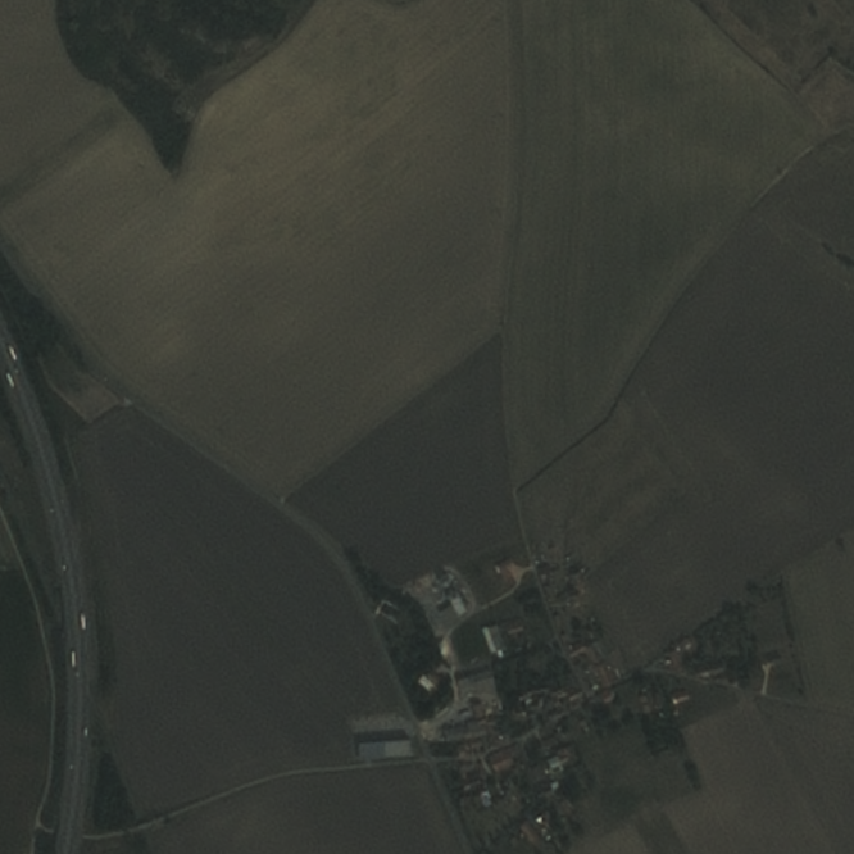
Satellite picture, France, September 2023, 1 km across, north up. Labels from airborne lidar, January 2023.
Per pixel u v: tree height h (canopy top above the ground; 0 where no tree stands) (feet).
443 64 0
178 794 0
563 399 0
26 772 0
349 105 0
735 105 0
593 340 0
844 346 0
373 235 0
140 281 0
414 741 0
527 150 0
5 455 0
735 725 0
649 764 0
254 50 0
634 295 0
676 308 0
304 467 0
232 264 0
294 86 0
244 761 0
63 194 0
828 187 0
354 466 0
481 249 0
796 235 0
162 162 19
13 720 0
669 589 0
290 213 0
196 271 0
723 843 0
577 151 0
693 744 0
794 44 0
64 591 0
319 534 0
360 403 0
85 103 0
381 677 0
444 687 42
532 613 18
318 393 0
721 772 0
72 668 0
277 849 0
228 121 0
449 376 0
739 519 0
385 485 0
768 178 0
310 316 0
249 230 0
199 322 0
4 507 0
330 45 0
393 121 0
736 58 0
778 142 0
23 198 0
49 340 76
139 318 0
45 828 0
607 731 31
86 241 0
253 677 0
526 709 23
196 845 0
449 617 0
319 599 0
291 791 0
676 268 0
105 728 0
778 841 0
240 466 0
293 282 0
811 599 0
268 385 0
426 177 0
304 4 0
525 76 0
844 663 0
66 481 28
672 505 0
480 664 0
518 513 0
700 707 0
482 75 0
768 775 0
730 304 0
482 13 0
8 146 0
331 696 0
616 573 0
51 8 0
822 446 0
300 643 0
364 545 0
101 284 0
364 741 0
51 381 0
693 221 0
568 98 0
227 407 0
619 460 0
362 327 0
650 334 0
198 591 0
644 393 0
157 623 0
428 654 52
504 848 0
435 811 0
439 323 0
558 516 0
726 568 0
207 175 0
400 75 0
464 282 0
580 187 0
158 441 0
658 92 0
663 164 0
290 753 0
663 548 0
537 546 0
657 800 0
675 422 0
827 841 0
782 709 0
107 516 0
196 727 0
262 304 0
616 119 0
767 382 0
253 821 0
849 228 0
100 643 0
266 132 0
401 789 0
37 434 0
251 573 0
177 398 0
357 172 0
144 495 0
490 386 0
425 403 0
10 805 0
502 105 0
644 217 0
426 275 0
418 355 0
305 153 0
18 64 0
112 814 44
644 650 0
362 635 0
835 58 28
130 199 0
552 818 35
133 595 0
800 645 0
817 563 0
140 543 0
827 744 0
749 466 0
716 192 0
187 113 0
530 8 0
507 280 0
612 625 0
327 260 0
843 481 0
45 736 0
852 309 0
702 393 0
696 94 0
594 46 0
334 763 0
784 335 0
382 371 0
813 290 0
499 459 0
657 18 0
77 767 0
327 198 0
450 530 0
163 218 0
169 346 0
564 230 0
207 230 0
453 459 0
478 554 0
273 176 0
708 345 0
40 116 0
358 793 0
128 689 0
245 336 0
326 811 0
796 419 0
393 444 0
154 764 0
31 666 0
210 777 0
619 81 0
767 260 0
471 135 0
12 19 0
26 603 0
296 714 0
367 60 0
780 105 0
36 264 0
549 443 0
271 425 0
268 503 0
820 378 0
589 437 0
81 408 0
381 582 24
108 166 0
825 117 0
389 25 0
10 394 0
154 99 30
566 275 0
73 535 0
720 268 0
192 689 0
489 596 0
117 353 0
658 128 0
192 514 0
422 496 0
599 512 0
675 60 0
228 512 0
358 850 0
